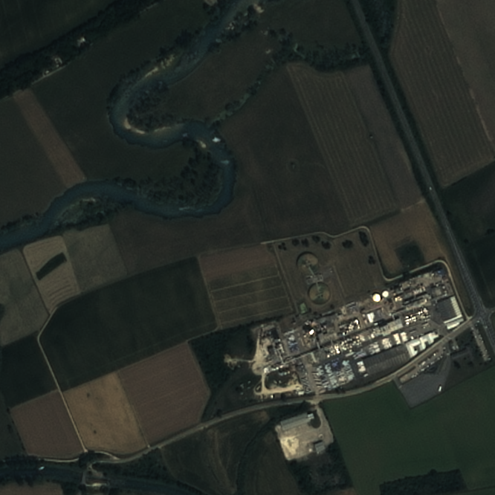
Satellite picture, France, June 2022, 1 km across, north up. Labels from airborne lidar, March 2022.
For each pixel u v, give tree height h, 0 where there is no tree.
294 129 0
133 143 0
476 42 0
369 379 0
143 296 0
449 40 0
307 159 0
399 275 0
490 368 0
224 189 0
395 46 0
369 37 0
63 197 0
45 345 0
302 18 0
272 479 0
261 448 0
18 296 0
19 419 0
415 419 0
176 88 0
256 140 0
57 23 0
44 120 0
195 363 0
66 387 0
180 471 0
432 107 0
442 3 0
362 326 0
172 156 0
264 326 0
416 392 0
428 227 0
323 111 0
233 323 0
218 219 0
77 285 0
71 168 0
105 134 0
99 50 0
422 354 0
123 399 0
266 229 0
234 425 0
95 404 0
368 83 0
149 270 0
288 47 11
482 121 0
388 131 0
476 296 0
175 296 0
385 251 0
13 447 0
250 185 0
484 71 0
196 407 0
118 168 0
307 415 0
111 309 0
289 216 0
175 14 0
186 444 0
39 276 0
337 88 0
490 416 0
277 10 0
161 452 0
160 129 0
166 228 0
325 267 0
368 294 0
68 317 0
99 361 0
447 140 0
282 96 0
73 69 0
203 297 0
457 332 0
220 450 0
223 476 0
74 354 0
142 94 15
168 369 0
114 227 0
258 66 0
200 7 0
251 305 0
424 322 0
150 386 0
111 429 0
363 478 0
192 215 0
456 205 0
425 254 0
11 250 0
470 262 0
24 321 0
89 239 0
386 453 0
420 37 0
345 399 0
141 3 22
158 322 0
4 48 0
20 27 0
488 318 0
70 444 0
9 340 0
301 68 0
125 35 0
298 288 0
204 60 0
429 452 0
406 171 0
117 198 0
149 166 0
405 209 0
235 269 0
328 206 0
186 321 0
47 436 0
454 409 0
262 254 0
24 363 0
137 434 0
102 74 0
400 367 0
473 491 0
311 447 0
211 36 0
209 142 0
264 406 0
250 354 0
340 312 0
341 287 0
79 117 0
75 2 0
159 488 0
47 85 0
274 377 0
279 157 0
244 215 0
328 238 0
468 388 0
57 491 0
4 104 0
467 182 0
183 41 24
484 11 0
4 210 0
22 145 0
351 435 0
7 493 0
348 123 0
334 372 0
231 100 0
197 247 0
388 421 0
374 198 0
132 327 0
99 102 0
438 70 0
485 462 0
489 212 0
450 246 0
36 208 0
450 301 0
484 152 0
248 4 0
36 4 0
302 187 0
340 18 0
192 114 0
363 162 0
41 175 0
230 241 0
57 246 0
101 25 17
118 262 0
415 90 0
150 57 0
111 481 0
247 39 0
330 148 0
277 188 0
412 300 0
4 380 0
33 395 0
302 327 0
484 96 0
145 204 0
